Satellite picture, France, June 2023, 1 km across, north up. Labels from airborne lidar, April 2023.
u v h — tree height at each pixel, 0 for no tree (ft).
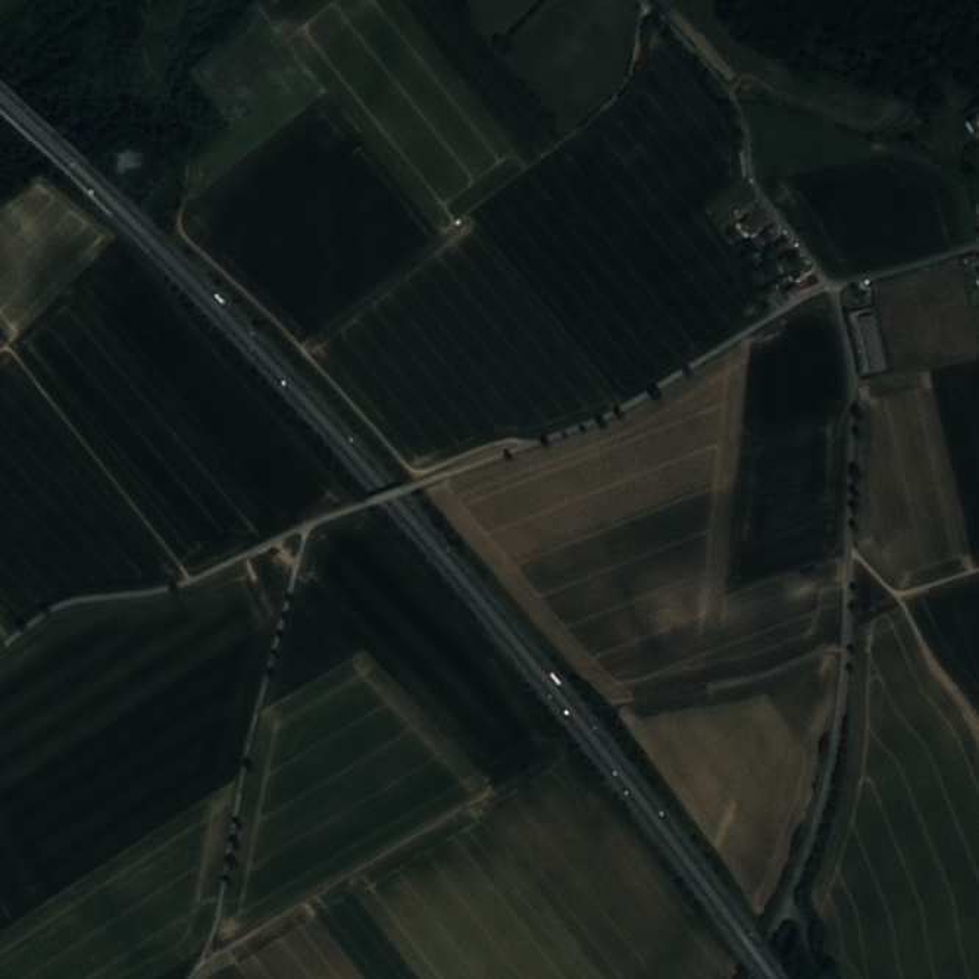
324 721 0
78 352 0
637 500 0
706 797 0
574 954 0
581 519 0
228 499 0
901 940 0
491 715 0
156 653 0
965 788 0
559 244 0
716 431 0
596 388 0
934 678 0
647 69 0
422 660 0
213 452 0
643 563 0
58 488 0
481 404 0
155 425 0
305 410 0
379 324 0
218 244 0
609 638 0
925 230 0
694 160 0
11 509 0
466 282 0
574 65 0
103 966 0
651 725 0
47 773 0
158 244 0
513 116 0
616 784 0
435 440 0
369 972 0
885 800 0
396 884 0
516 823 0
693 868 0
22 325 0
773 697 0
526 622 0
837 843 0
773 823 0
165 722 0
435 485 0
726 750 0
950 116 0
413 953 0
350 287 0
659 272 0
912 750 0
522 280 0
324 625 0
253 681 0
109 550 0
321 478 0
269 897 0
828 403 0
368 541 0
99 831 0
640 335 0
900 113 0
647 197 0
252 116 0
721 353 0
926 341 0
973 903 0
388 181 0
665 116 0
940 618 0
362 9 0
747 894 0
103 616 0
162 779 0
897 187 0
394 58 0
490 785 0
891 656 0
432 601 0
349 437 0
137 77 0
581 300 0
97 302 0
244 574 0
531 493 0
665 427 0
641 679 0
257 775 0
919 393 0
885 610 0
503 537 0
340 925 0
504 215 0
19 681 0
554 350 0
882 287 0
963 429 0
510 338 0
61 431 0
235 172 0
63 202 0
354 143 0
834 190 0
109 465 0
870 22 72
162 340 0
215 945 0
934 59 83
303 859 0
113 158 0
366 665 0
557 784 0
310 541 0
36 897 0
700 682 0
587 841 0
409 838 0
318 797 0
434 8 0
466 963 0
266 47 0
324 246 0
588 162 0
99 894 0
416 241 0
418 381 0
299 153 0
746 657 0
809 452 0
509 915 0
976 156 0
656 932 0
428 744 0
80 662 0
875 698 0
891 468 0
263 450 0
